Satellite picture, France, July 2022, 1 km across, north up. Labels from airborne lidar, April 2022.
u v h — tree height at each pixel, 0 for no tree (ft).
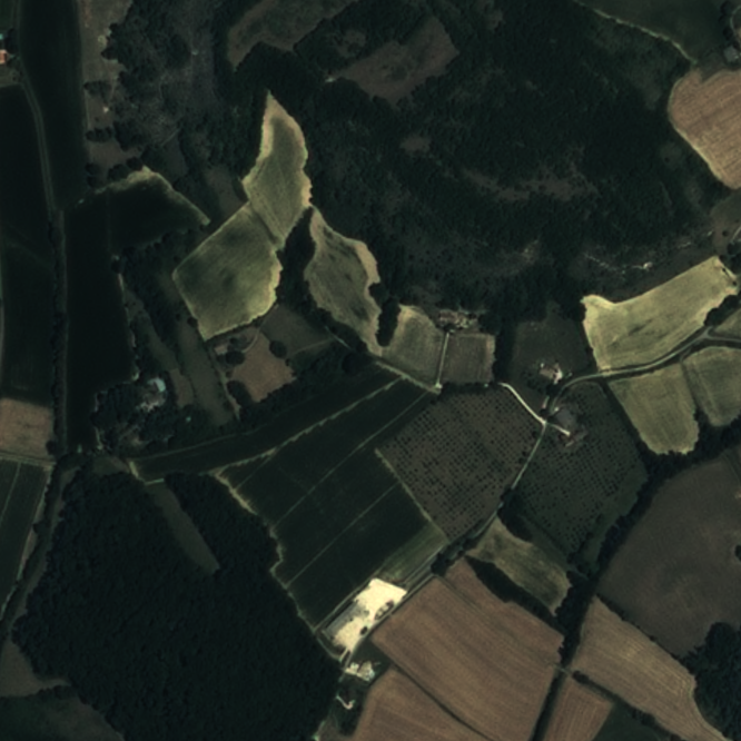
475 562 22
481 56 32
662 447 0
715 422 0
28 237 0
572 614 71
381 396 0
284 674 79
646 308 0
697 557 0
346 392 0
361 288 0
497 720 0
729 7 47
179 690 87
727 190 26
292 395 77
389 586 0
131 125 30
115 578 62
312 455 0
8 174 0
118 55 45
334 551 0
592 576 39
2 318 0
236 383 29
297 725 70
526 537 38
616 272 0
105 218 0
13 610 38
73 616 75
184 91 0
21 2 0
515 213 26
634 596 0
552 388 44
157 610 83
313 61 23
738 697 47
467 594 0
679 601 0
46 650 82
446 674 0
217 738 73
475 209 29
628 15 0
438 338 0
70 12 0
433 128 20
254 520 35
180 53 29
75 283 0
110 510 65
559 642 0
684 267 0
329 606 0
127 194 0
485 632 0
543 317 52
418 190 24
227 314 0
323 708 67
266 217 0
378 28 45
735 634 39
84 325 0
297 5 0
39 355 0
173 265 0
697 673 56
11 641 0
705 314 0
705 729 0
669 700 0
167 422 69
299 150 0
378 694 0
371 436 0
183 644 78
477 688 0
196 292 0
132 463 0
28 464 0
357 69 0
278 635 80
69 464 59
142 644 84
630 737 0
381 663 0
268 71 58
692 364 0
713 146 0
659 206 20
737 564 0
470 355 0
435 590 0
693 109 0
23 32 0
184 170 0
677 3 0
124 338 0
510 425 0
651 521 0
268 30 0
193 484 60
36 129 0
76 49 0
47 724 0
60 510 0
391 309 55
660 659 0
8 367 0
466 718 0
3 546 0
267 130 0
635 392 0
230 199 0
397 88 0
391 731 0
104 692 85
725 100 0
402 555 0
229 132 23
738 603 0
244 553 61
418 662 0
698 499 0
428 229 34
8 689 0
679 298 0
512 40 42
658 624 0
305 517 0
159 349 0
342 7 0
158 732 74
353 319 0
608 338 0
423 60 0
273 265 0
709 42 0
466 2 20
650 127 41
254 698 69
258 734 73
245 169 39
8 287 0
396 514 0
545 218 30
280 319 0
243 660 72
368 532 0
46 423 0
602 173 34
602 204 39
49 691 25
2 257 0
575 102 26
